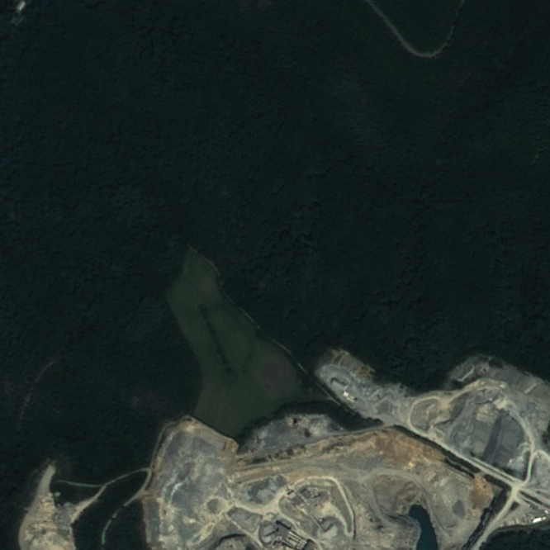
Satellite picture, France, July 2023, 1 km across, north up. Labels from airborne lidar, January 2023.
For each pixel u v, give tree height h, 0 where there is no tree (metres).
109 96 24
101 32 24
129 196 25
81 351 7
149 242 12
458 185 15
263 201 21
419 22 17
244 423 0
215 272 0
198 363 9
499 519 0
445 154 23
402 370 19
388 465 0
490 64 24
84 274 16
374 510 0
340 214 16
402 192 21
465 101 24
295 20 14
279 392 0
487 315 23
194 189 16
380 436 0
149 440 6
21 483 6
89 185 17
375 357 8
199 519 0
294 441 0
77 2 24
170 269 12
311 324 16
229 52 24
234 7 14
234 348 0
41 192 15
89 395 11
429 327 31
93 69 24
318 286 18
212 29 19
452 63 19
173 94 27
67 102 22
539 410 0
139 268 9
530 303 17
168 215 12
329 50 22
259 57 28
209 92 20
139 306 18
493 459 0
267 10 6
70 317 20
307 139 23
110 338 7
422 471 0
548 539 27
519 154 15
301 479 0
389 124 14
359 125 9
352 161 26
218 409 0
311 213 30
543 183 21
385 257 22
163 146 16
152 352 12
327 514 0
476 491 0
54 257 21
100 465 17
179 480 0
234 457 0
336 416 8
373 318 22
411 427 0
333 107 16
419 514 0
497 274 27
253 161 19
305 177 27
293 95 19
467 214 23
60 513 0
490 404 0
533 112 14
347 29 20
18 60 16
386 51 15
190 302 0
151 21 22
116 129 22
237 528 0
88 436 18
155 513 0
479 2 24
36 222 20
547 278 24
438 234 21
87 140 20
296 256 6
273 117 16
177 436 0
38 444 16
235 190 17
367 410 0
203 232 13
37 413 12
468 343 11
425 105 19
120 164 15
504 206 14
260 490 0
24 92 21
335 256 20
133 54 24
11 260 23
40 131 19
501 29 22
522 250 25
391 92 16
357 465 0
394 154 13
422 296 22
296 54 20
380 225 27
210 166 17
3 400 10
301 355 13
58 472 0
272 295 17
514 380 0
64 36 22
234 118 21
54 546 0
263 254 16
